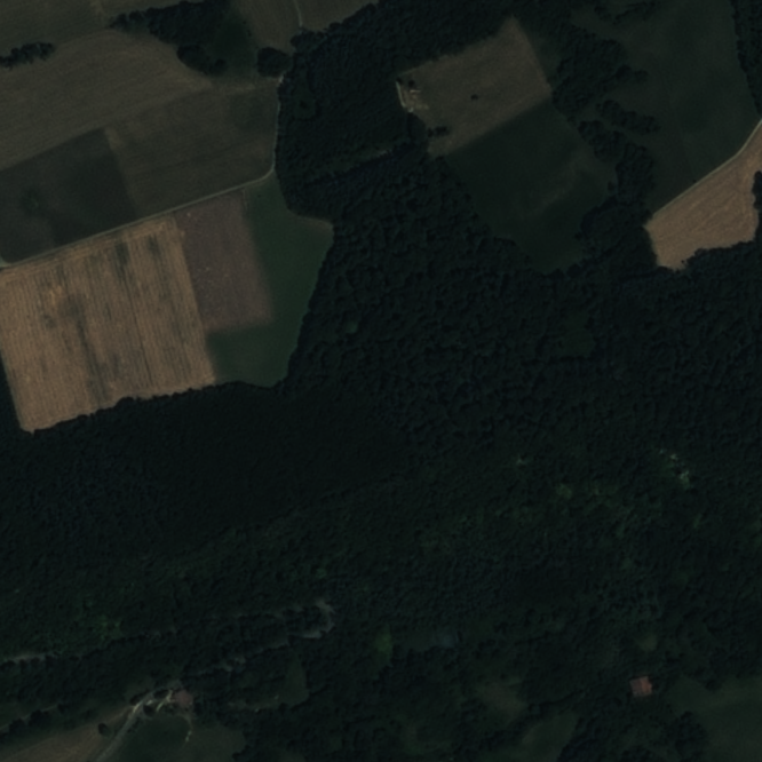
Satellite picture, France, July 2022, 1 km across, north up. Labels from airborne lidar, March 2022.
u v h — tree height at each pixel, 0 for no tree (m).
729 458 16
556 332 22
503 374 30
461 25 21
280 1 0
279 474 17
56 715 0
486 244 32
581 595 23
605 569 14
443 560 9
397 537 30
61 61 0
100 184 0
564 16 13
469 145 0
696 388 27
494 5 27
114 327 0
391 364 30
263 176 0
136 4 0
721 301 25
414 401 26
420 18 23
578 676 7
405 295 32
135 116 0
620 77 23
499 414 27
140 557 19
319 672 20
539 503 25
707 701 0
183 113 0
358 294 32
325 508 17
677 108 0
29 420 0
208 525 16
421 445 29
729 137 0
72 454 16
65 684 25
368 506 24
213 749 0
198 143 0
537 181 0
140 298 0
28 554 12
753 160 0
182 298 0
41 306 0
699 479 24
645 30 0
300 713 17
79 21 0
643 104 0
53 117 0
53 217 0
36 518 22
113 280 0
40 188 0
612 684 15
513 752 0
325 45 18
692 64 0
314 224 0
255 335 0
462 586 20
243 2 0
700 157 0
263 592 26
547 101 0
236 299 0
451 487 25
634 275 16
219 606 27
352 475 14
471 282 29
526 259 12
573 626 20
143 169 0
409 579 19
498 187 0
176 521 17
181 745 0
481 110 0
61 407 0
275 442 11
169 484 18
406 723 0
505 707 0
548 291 25
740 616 24
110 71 0
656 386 28
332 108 19
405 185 26
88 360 0
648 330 23
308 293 0
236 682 24
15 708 0
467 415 31
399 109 16
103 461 26
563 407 26
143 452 21
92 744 0
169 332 0
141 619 28
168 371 0
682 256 0
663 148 0
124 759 0
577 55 15
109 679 15
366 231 28
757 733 0
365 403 16
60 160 0
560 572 26
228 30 0
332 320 29
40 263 0
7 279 0
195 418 16
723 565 28
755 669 20
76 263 0
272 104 0
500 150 0
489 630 0
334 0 0
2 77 0
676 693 0
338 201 20
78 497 22
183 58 19
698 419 27
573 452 24
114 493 27
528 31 0
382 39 22
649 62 0
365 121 18
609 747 20
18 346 0
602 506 28
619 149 21
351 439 16
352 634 20
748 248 17
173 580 23
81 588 15
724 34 0
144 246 0
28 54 19
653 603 22
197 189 0
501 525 27
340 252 16
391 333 31
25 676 19
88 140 0
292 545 26
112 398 0
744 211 0
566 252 0
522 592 15
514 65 0
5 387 17
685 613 9
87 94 0
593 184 0
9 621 25
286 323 0
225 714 9
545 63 0
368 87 27
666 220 0
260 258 0
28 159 0
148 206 0
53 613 31
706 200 0
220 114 0
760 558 24
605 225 26
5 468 18
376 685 16
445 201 35
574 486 28
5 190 0
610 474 24
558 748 0
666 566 21
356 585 22
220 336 0
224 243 0
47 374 0
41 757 0
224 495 16
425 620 20
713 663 13
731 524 27
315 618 24
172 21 30
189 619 26
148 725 0
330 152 19
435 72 0
